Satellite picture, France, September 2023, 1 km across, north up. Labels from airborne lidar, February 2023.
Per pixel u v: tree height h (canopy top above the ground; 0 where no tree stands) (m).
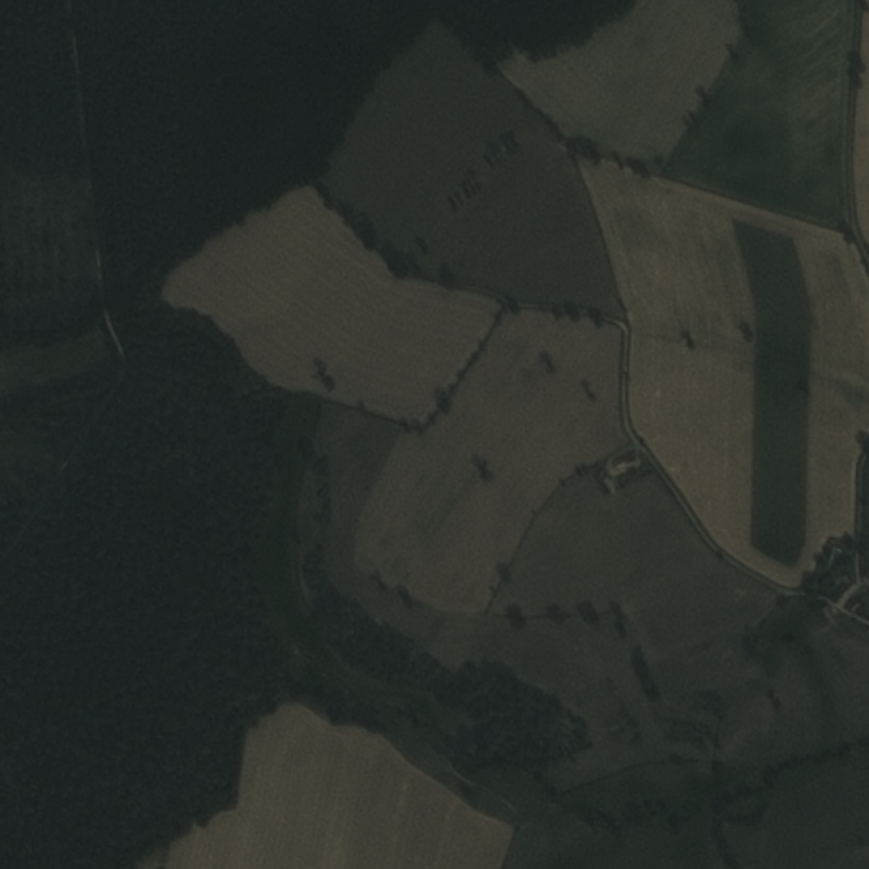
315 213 0
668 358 0
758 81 0
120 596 32
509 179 0
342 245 0
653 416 0
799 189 0
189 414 27
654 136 0
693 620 0
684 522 0
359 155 0
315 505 0
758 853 0
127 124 17
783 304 0
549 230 0
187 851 0
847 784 0
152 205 16
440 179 0
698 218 0
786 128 0
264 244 0
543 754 13
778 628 0
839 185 0
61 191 0
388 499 0
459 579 0
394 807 0
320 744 0
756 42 0
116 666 38
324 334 0
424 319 0
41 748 19
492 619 0
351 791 0
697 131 0
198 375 12
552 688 0
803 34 0
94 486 30
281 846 0
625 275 0
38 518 23
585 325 0
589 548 0
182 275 0
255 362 0
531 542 0
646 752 0
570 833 0
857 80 15
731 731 0
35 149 15
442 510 0
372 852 0
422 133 0
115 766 36
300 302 0
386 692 0
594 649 0
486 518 0
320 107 18
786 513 0
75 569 30
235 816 0
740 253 0
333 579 0
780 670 0
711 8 0
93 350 0
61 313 19
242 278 0
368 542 0
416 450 0
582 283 0
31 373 0
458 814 0
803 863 0
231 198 16
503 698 21
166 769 32
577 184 0
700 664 0
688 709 0
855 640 0
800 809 0
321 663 0
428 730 0
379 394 0
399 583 0
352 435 0
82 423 15
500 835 0
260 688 15
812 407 0
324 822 0
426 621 0
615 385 0
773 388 0
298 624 0
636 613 0
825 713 0
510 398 0
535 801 0
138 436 28
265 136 16
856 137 0
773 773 11
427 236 0
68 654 34
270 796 0
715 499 0
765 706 0
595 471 0
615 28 0
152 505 33
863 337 0
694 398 0
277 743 0
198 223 18
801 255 0
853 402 0
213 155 16
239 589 27
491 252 0
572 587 0
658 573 0
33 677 34
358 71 17
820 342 0
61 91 16
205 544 25
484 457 0
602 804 0
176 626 36
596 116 0
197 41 19
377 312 0
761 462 0
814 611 0
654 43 0
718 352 0
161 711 34
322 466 6
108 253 8
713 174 0
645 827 0
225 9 17
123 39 9
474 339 0
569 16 24
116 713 38
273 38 17
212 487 30
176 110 17
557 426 0
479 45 21
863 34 0
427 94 0
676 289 0
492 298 0
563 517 0
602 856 0
